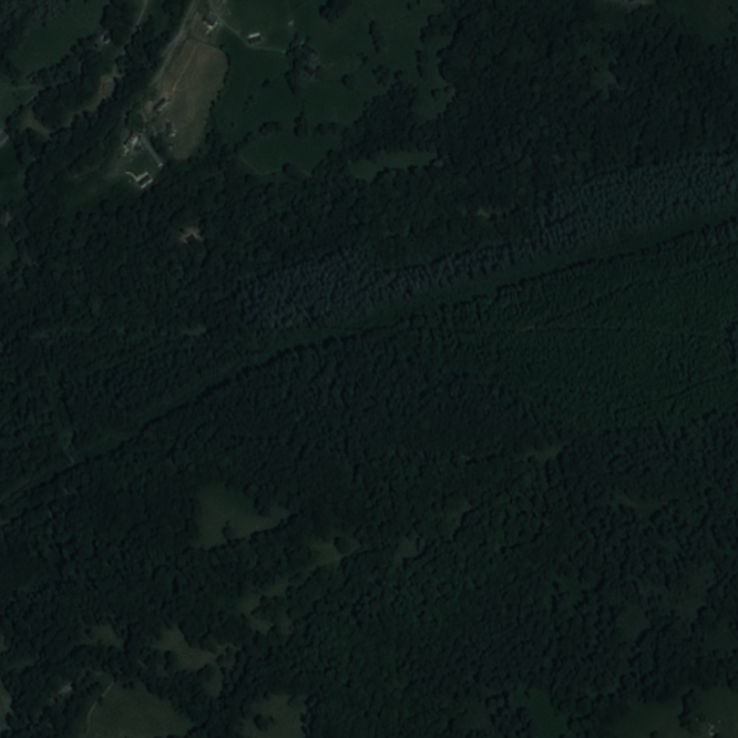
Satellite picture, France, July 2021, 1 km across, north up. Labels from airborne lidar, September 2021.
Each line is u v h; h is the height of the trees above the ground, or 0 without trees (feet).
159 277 64
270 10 0
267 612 60
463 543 82
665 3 25
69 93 70
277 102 0
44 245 72
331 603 74
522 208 66
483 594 77
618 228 79
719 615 33
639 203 109
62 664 68
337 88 0
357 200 58
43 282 53
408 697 73
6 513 69
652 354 19
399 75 59
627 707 50
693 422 27
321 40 0
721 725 0
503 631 56
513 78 34
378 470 58
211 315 80
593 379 41
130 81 57
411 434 83
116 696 0
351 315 87
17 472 42
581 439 66
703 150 72
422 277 97
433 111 0
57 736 28
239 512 0
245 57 0
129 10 71
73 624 24
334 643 81
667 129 73
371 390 76
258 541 73
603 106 78
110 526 85
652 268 38
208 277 76
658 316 28
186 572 92
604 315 33
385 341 49
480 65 73
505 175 74
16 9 24
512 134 81
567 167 93
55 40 0
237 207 50
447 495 49
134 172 0
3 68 61
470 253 42
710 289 35
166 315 58
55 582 22
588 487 73
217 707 68
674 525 69
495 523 81
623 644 33
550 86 49
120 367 37
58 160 83
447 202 98
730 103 83
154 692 58
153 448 66
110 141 46
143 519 55
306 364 89
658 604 66
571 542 71
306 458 77
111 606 75
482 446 76
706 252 42
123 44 41
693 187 100
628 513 73
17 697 54
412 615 88
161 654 31
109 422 71
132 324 39
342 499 70
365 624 66
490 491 55
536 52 22
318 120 0
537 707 0
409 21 0
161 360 60
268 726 52
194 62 0
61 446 28
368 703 81
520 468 87
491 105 53
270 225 48
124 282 66
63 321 60
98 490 73
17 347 74
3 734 37
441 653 71
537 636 65
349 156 56
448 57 73
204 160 20
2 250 0
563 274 57
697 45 61
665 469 75
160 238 70
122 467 90
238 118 0
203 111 0
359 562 85
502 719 55
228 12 0
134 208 43
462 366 31
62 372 34
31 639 83
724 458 35
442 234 62
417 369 100
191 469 69
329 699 66
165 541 92
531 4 34
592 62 46
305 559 44
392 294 96
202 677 55
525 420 30
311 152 0
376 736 57
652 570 72
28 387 30
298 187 27
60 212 69
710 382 42
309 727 62
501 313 45
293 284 90
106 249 68
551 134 65
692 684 53
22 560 31
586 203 111
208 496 0
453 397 63
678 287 41
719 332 32
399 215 76
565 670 73
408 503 71
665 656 70
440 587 73
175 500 73
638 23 34
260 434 71
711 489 33
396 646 64
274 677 87
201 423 54
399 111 66
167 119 0
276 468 75
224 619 86
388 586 97
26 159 88
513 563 68
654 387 28
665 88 77
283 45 0
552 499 70
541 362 17
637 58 36
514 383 35
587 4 62
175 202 31
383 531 73
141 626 53
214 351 73
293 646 71
